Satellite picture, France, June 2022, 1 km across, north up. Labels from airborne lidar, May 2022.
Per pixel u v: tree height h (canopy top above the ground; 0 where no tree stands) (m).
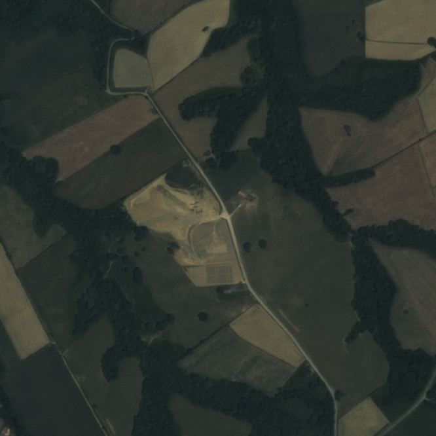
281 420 9
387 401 11
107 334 0
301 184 30
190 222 0
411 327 0
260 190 0
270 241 0
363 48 0
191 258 0
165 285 0
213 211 0
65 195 0
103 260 0
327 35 0
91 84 0
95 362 0
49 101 0
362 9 0
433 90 0
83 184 0
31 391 0
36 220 0
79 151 0
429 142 0
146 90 0
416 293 0
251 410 14
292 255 0
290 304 0
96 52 6
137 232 18
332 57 0
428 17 0
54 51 0
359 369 0
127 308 19
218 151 18
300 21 8
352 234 7
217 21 0
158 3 0
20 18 11
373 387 0
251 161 0
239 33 19
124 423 0
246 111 17
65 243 0
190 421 0
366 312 13
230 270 0
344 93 20
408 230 8
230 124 12
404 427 0
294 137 10
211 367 0
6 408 15
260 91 12
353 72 0
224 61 0
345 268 0
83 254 9
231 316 0
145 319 0
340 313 0
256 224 0
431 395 15
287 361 0
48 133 0
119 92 0
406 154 0
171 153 0
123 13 0
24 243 0
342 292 0
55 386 0
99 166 0
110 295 12
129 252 0
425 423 0
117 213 12
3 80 0
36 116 0
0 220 0
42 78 0
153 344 0
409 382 25
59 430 0
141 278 14
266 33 16
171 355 0
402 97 0
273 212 0
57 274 0
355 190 0
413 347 0
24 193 8
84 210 6
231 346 0
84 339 0
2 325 0
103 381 0
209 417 0
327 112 0
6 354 0
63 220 9
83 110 0
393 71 0
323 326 0
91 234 10
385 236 14
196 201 0
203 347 0
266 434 10
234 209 0
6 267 0
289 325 0
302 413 0
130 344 14
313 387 15
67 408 0
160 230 0
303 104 11
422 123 0
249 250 16
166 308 0
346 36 0
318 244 0
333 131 0
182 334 0
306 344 0
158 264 0
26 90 0
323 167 0
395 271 0
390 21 0
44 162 9
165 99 0
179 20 0
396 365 20
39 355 0
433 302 0
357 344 0
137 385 0
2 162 0
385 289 7
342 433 0
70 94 0
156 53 0
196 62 0
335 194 0
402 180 0
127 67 0
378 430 0
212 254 0
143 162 0
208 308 0
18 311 0
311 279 0
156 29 0
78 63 0
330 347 0
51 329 0
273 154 13
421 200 0
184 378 12
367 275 11
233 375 0
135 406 0
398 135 0
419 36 0
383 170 0
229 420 0
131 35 11
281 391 15
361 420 0
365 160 0
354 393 0
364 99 8
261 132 0
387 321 13
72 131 0
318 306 0
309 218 0
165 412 7
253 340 0
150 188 0
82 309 11
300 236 0
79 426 0
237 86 0
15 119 0
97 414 0
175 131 0
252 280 0
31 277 0
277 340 0
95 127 0
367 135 0
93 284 7
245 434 0
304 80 0
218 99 9
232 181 0
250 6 12
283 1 0
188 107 20
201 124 0
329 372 0
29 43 0
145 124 0
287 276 0
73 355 0
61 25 9
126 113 0
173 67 0
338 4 0
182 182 0
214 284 0
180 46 0
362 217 0
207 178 0
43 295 0
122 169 0
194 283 0
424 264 0
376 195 0
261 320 0
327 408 10
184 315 0
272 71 19
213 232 0
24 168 16
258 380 0
